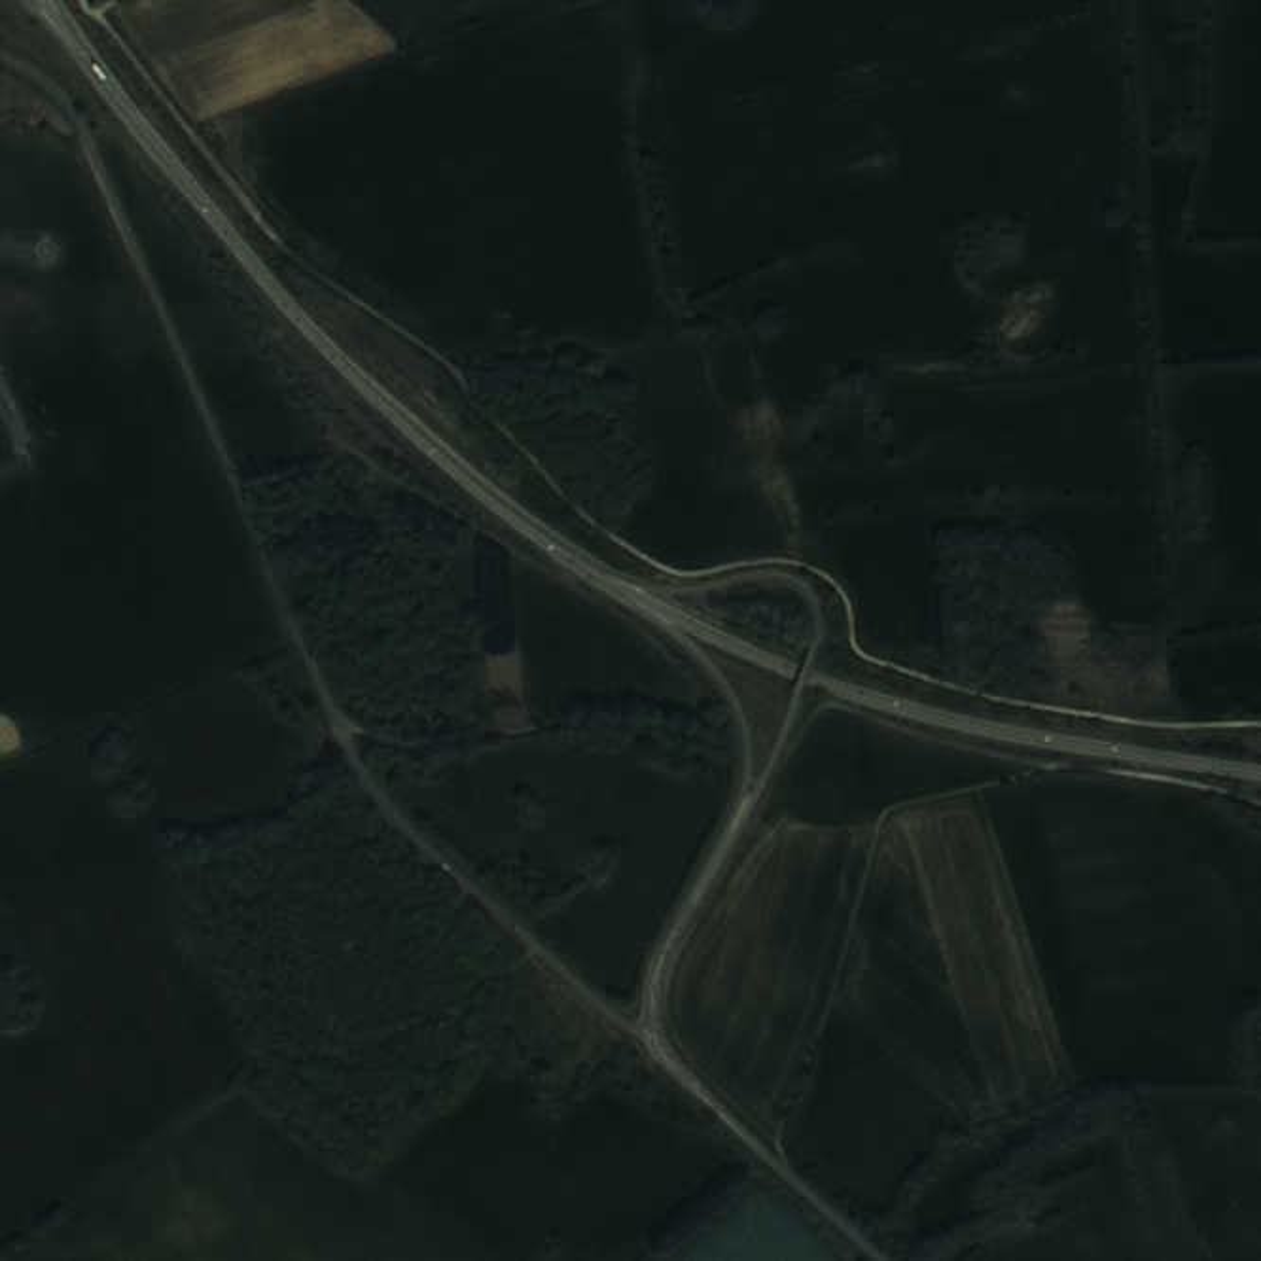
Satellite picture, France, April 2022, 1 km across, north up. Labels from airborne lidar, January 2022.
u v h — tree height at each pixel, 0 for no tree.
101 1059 0
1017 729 0
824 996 0
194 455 0
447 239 0
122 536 0
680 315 0
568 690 0
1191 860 0
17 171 0
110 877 0
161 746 0
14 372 0
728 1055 0
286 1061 17
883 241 0
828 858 0
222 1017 0
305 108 0
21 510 0
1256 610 0
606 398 21
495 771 0
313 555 26
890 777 0
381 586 19
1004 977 0
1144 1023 0
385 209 0
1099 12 0
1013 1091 0
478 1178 0
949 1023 0
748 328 0
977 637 15
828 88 0
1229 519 0
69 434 0
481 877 14
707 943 0
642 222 0
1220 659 0
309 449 0
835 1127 0
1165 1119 0
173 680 0
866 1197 0
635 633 0
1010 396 0
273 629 0
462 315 0
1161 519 7
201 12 0
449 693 19
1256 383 0
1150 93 0
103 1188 0
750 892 0
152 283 0
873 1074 0
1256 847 0
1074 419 0
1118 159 0
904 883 0
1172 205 0
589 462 14
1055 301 0
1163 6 0
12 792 0
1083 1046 0
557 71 0
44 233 0
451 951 11
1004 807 0
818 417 0
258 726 0
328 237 0
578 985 0
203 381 0
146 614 0
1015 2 0
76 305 0
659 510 0
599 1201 0
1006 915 0
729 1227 0
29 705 0
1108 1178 0
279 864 16
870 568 0
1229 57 0
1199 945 0
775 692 0
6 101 0
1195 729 0
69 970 0
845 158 0
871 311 0
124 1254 0
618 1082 8
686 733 16
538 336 0
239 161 0
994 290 0
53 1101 0
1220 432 0
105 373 0
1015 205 0
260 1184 0
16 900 0
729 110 0
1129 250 0
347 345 0
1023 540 18
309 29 0
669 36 0
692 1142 0
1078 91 0
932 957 0
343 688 22
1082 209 0
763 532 0
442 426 0
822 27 0
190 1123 0
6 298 0
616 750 0
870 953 0
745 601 13
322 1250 0
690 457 0
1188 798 0
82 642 0
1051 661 0
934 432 0
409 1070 14
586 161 0
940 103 0
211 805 0
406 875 17
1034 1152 16
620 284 0
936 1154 7
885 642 0
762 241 0
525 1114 0
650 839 0
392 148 0
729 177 0
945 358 0
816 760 0
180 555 0
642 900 0
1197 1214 0
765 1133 0
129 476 0
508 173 0
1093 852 0
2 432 0
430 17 0
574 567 0
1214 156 0
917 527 0
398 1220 0
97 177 0
